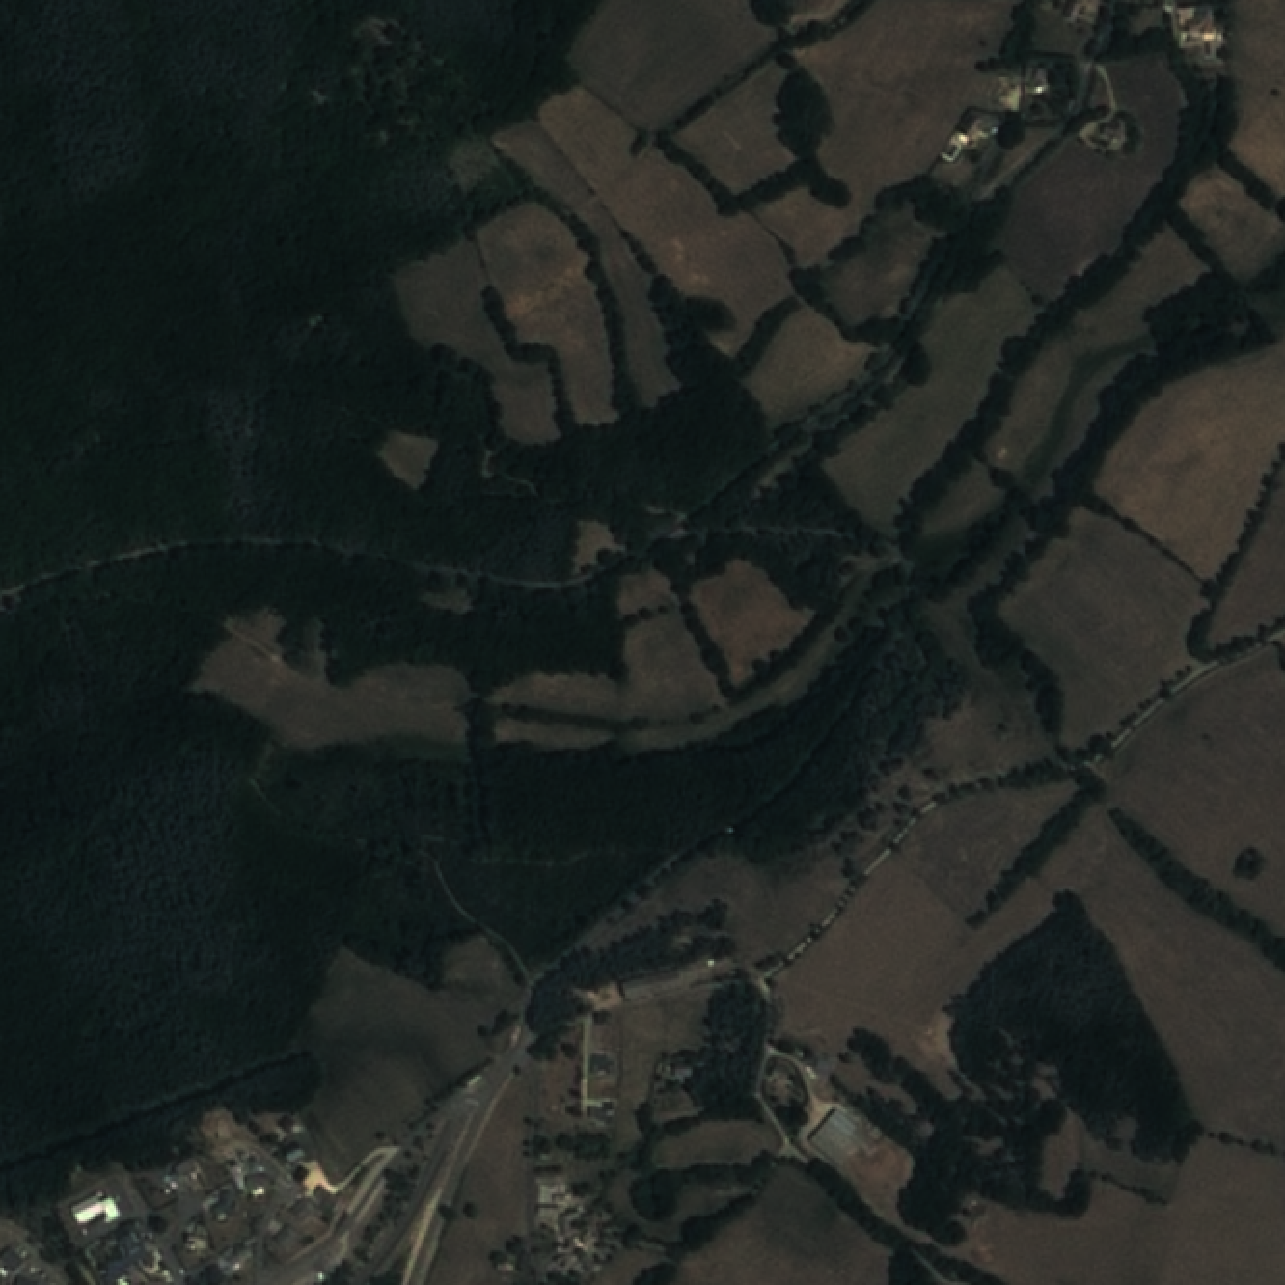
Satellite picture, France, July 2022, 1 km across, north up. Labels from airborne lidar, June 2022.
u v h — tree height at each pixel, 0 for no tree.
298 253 18
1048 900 0
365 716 0
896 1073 9
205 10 19
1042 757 0
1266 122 0
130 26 15
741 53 0
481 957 0
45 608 20
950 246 15
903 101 0
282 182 16
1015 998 15
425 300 0
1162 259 0
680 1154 0
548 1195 0
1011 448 0
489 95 14
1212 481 0
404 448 0
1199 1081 0
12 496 18
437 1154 0
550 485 15
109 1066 18
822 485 21
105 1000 12
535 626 20
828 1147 0
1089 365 0
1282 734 0
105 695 18
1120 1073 10
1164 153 0
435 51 12
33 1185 14
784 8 13
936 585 15
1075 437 0
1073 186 0
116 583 19
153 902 16
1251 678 0
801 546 15
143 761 16
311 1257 0
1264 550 0
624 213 0
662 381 0
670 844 18
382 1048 0
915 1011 0
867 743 11
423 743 0
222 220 14
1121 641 0
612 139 0
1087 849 0
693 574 13
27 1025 16
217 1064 16
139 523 19
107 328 15
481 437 8
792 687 0
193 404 12
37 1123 13
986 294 0
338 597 23
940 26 0
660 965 13
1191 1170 0
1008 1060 8
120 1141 15
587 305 0
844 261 17
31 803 25
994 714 0
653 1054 0
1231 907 9
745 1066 16
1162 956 0
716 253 0
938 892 0
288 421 16
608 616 20
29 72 15
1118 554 0
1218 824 0
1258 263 0
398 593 21
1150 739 0
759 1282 0
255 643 0
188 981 20
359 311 17
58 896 15
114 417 15
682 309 18
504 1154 0
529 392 0
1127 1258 0
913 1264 15
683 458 13
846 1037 0
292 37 19
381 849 19
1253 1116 0
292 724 0
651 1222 11
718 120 0
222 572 24
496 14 12
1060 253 0
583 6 19
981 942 0
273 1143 11
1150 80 0
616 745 11
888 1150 0
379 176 13
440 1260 0
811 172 17
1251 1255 0
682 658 0
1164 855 9
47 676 20
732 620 0
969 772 0
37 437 15
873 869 0
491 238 0
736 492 14
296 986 20
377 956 19
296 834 15
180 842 21
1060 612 0
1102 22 9
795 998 0
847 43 0
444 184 8
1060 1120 16
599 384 0
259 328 12
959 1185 14
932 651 14
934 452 0
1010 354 15
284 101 15
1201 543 0
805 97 20
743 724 9
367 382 14
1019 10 11
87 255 12
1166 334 15
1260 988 0
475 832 18
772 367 0
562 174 0
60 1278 0
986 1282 9
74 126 17
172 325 14
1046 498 0
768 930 0
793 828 18
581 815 24
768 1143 0
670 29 0
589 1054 0
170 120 16
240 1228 0
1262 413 0
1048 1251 0
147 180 14
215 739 6
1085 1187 15
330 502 21
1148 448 0
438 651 19
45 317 13
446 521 23
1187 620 0
